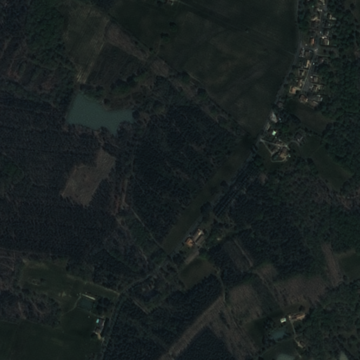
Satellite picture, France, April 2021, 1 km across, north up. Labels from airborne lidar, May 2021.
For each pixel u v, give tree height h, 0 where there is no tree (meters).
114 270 15
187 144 10
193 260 0
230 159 0
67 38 0
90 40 0
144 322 14
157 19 0
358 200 17
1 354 0
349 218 22
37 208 17
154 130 13
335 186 0
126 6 0
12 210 18
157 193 9
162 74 18
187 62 0
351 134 19
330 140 19
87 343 0
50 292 0
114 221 20
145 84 0
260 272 19
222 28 0
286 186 11
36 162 13
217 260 22
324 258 23
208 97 10
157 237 10
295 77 7
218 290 19
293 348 0
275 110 14
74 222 17
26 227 21
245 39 0
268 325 11
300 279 24
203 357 21
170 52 0
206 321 20
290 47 0
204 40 0
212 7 0
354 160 21
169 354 18
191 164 8
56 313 11
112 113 0
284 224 14
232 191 10
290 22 0
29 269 0
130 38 16
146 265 8
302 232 12
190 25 0
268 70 0
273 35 0
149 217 10
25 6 6
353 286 12
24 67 14
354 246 22
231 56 0
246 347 19
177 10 0
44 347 0
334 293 22
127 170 12
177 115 13
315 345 14
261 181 17
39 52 23
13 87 24
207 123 11
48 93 12
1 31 22
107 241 17
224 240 8
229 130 16
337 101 20
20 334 0
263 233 22
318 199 7
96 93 15
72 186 0
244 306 17
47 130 8
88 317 0
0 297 16
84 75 0
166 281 16
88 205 0
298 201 9
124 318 10
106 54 0
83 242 18
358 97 20
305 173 10
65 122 15
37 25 24
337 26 10
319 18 0
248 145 0
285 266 10
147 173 14
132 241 15
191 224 0
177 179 10
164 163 12
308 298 25
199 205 0
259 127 0
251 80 0
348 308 16
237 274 17
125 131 13
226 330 18
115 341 10
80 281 0
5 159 14
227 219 9
